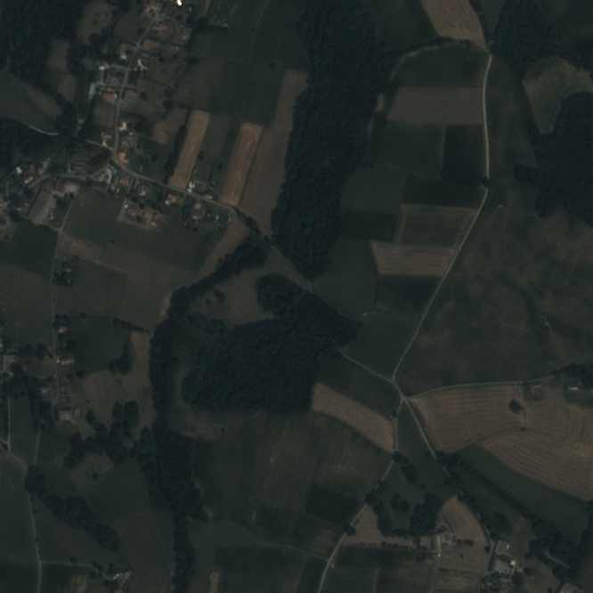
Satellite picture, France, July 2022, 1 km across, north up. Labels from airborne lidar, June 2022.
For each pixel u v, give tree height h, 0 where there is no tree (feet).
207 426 0
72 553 0
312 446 0
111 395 0
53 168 55
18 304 0
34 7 93
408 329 0
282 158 0
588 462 0
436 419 0
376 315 0
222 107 0
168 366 51
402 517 0
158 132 0
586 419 0
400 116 0
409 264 0
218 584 0
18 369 62
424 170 0
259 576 0
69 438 0
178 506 79
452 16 0
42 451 0
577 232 0
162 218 0
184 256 0
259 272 0
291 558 0
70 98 0
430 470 0
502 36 49
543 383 0
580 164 69
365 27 67
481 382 0
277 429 0
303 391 64
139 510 0
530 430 0
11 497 0
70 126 71
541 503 0
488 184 51
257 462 0
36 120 0
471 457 0
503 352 0
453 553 0
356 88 68
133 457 59
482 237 0
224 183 0
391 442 0
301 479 0
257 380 85
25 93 0
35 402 48
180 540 85
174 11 0
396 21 0
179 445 77
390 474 0
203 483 0
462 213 0
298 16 0
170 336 72
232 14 0
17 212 46
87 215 0
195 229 21
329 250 45
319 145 64
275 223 56
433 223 0
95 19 0
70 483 0
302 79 0
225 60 0
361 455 0
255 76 0
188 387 81
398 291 0
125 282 0
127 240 0
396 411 25
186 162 0
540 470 0
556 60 0
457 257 0
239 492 0
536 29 45
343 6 96
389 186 0
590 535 45
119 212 0
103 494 0
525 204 0
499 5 0
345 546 0
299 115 77
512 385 0
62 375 0
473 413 0
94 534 54
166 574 0
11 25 101
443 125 0
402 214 0
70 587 0
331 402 0
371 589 0
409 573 0
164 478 78
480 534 0
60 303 0
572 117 63
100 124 0
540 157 71
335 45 80
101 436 86
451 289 0
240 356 85
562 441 0
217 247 0
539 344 0
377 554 0
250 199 0
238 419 0
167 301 0
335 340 52
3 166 70
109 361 0
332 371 0
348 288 0
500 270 0
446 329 0
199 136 0
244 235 0
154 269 0
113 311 0
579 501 0
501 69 0
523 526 0
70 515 85
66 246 0
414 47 38
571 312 0
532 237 0
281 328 61
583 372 62
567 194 77
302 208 38
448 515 0
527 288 0
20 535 0
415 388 0
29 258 0
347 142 69
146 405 0
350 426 0
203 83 0
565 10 0
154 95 0
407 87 0
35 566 0
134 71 30
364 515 0
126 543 0
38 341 0
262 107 0
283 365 100
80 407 0
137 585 0
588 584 0
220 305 0
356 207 0
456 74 0
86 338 0
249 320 0
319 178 66
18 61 72
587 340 0
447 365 0
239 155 0
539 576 0
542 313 0
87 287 0
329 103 69
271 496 0
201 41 0
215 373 58
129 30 0
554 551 62
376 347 0
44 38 87
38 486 73
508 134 0
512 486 0
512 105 0
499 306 0
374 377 0
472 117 0
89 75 18
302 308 75
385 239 0
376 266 0
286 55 0
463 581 0
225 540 0
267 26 0
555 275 0
